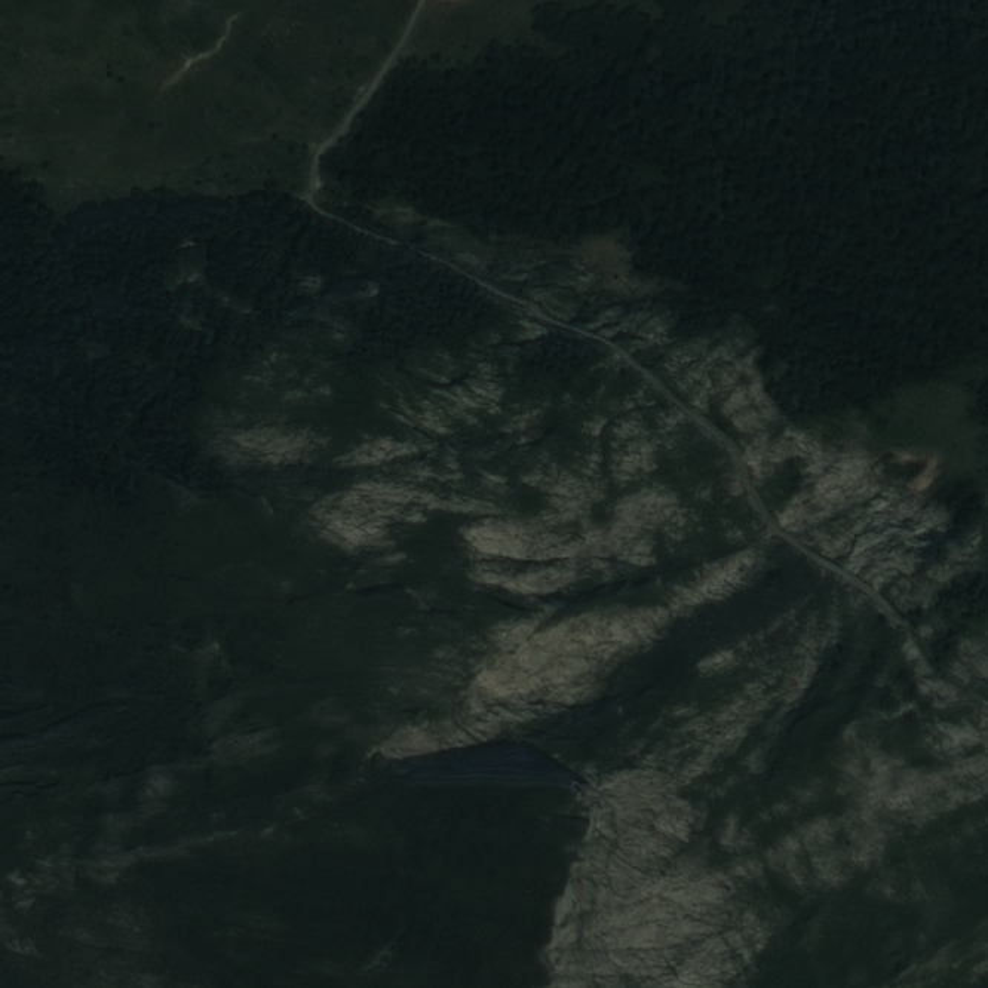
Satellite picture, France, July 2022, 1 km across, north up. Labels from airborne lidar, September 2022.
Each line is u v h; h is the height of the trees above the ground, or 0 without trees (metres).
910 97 17
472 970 0
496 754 0
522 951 0
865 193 21
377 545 0
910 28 26
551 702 0
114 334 11
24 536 0
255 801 0
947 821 0
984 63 25
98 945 0
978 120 24
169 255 10
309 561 0
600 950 0
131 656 0
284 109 0
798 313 16
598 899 0
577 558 0
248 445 0
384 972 0
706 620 0
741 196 20
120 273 16
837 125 23
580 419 0
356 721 0
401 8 0
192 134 0
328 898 0
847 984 0
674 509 0
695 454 0
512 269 0
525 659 0
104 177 0
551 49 0
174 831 0
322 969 0
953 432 0
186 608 0
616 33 9
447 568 0
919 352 11
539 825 0
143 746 0
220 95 0
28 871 0
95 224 16
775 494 0
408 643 0
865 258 13
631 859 0
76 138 0
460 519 0
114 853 0
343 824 0
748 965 0
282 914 0
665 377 0
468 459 0
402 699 0
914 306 29
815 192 25
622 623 0
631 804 0
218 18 0
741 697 0
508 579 0
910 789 0
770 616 0
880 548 0
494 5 0
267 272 7
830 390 22
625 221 8
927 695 0
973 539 0
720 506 0
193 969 0
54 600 0
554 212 17
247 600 0
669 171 15
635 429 0
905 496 0
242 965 0
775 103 13
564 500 0
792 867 0
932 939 0
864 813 0
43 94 0
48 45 0
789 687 0
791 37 13
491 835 0
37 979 0
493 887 0
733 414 0
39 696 0
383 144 10
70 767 0
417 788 0
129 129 0
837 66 25
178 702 0
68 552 0
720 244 13
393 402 0
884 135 15
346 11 0
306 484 0
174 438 11
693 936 0
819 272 15
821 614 0
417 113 15
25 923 0
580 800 0
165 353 17
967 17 10
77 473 7
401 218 0
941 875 0
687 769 0
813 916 0
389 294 16
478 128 27
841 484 0
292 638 0
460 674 0
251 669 0
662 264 6
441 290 17
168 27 0
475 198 13
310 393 0
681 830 0
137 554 0
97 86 0
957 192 27
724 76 16
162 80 0
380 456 0
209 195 0
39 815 0
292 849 0
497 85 12
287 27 0
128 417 11
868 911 0
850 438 0
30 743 0
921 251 10
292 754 0
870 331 22
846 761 0
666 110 23
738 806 0
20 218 17
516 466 0
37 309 18
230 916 0
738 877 0
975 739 0
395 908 0
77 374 13
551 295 0
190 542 0
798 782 0
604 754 0
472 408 0
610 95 25
